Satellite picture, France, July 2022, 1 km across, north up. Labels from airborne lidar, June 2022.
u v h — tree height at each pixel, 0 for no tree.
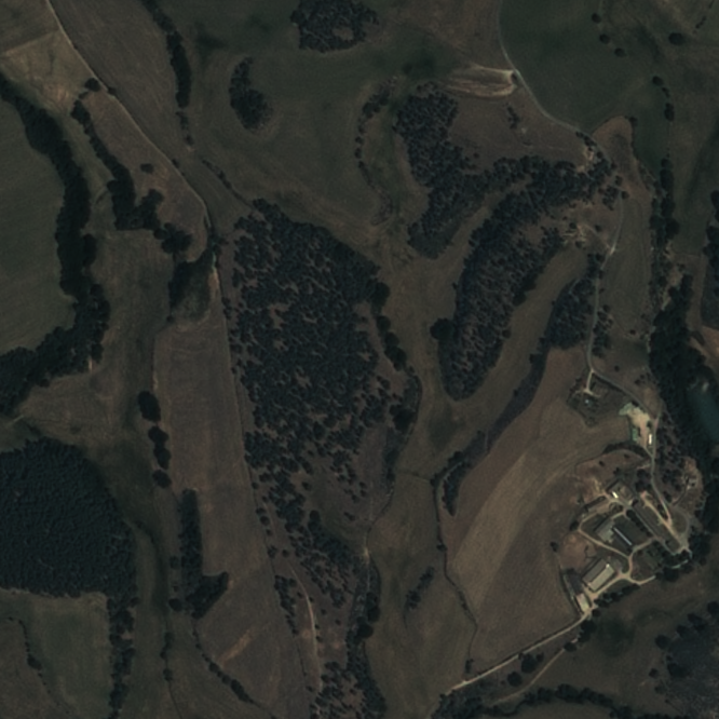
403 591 0
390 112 0
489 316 14
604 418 0
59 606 0
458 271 0
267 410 15
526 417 0
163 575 0
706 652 0
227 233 0
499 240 18
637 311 0
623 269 0
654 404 0
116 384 0
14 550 17
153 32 0
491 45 0
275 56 0
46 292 0
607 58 0
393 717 0
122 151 0
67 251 18
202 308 0
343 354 15
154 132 0
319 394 19
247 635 0
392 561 0
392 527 0
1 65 0
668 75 0
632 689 0
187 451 0
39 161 0
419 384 7
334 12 12
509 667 0
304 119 0
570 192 13
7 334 0
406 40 0
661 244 12
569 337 15
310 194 0
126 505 0
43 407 0
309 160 0
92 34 0
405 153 0
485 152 0
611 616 0
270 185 0
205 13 0
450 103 9
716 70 0
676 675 17
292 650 0
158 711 0
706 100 0
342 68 0
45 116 11
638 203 0
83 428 0
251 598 0
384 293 18
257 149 0
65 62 0
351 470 12
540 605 0
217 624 0
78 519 17
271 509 0
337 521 0
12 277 0
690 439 18
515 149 0
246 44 0
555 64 0
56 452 14
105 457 0
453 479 13
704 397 0
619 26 0
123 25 0
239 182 0
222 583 20
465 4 0
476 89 0
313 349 18
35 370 9
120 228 14
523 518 0
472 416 0
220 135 0
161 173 0
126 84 0
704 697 0
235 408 0
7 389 10
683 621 0
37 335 0
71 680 0
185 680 0
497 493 0
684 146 0
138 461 0
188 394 0
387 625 0
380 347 0
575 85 0
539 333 0
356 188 0
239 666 0
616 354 0
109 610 8
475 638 0
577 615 0
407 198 0
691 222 0
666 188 16
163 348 0
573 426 0
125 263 0
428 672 0
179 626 0
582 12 0
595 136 0
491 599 0
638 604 0
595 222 0
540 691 10
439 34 0
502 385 0
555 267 0
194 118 0
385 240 0
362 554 0
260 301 15
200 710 0
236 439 0
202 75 0
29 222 0
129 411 0
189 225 0
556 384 0
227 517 0
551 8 0
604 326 9
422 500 0
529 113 0
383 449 0
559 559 0
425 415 0
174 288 17
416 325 0
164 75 0
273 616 0
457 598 0
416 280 0
